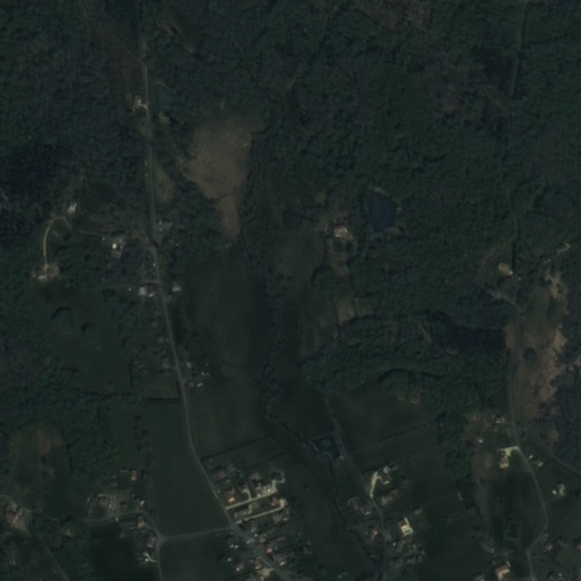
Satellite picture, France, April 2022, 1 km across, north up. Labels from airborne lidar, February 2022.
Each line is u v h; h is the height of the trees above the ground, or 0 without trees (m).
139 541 0
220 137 0
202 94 25
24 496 0
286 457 0
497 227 20
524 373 0
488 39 18
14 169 25
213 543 0
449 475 0
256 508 0
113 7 21
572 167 23
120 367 0
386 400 0
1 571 24
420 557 9
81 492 0
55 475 0
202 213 18
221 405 0
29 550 0
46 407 23
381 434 0
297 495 0
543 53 23
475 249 25
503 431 0
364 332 15
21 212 16
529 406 0
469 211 20
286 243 0
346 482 0
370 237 18
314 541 0
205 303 0
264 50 22
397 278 23
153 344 0
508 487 0
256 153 12
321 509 0
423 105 16
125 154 21
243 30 20
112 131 27
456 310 8
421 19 0
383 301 20
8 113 19
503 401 8
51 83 23
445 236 24
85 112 24
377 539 11
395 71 20
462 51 22
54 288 0
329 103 24
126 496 0
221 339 0
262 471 0
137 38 16
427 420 0
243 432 0
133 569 0
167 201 0
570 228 21
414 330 21
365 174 20
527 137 23
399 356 24
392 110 15
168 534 0
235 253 0
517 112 20
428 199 17
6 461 25
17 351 29
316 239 0
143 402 9
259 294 0
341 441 16
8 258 24
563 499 0
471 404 18
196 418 0
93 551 0
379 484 0
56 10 27
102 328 0
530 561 0
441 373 22
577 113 20
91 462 20
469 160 20
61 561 9
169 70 15
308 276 0
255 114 22
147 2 10
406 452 0
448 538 0
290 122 20
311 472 0
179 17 0
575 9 11
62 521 0
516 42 14
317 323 0
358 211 21
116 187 15
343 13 13
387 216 0
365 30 19
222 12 23
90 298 0
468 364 15
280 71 13
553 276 12
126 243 0
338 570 0
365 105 22
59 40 26
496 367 13
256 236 0
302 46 19
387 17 0
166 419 0
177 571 0
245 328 0
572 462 13
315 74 20
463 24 21
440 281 14
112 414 21
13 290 25
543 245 24
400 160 26
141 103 0
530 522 0
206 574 0
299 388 0
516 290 19
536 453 0
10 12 26
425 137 20
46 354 22
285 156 19
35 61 9
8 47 18
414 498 0
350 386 21
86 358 0
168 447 0
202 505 0
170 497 0
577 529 0
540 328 0
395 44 16
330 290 21
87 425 28
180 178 6
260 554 0
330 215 21
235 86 26
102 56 21
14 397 10
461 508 0
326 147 23
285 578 0
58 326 17
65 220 0
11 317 28
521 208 18
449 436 22
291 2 20
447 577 0
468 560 0
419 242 20
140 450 7
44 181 22
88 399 13
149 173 0
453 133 20
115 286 19
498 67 8
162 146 23
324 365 23
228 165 0
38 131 16
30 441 0
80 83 20
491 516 0
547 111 22
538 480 0
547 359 0
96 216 0
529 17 14
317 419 0
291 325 0
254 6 20
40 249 16
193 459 0
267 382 12
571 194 22
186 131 9
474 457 13
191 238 19
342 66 21
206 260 13
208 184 0
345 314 0
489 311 20
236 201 0
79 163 12
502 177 22
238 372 0
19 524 0
